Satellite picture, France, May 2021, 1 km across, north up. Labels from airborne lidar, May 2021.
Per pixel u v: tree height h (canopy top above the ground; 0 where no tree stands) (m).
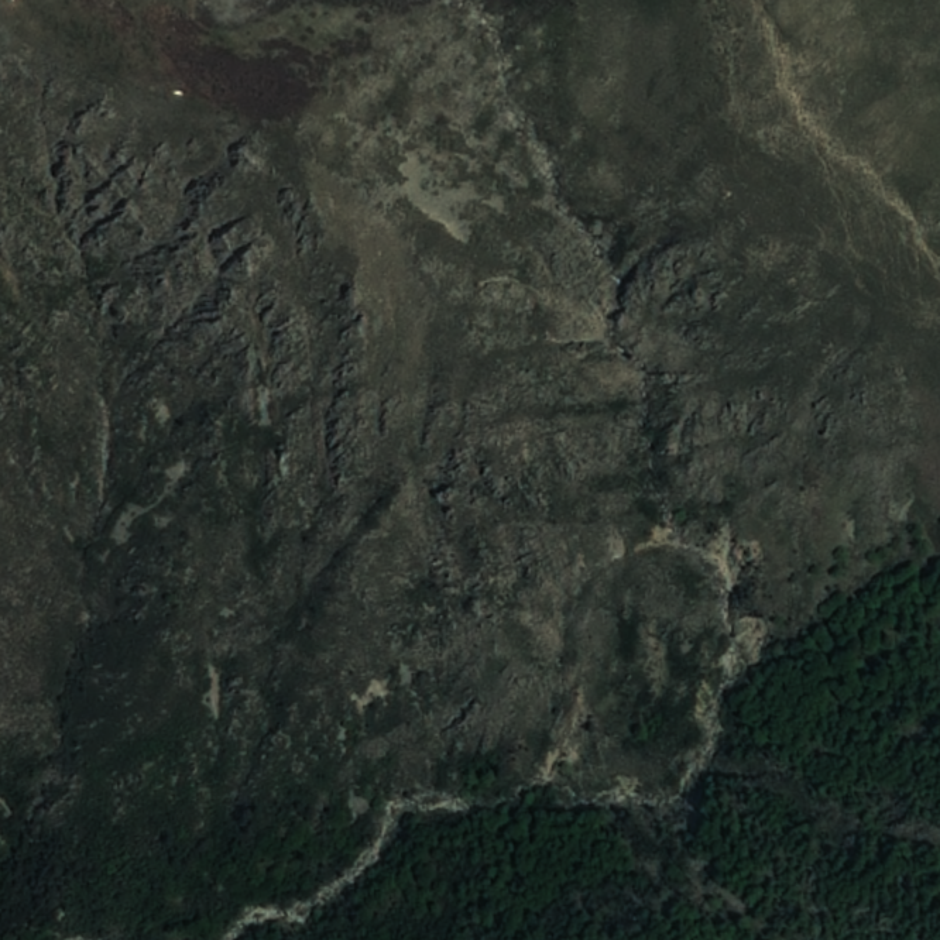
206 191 0
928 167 0
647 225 0
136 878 14
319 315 0
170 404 0
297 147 0
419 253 0
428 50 0
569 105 0
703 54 0
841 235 0
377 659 0
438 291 0
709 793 16
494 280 0
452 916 6
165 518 0
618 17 0
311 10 0
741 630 0
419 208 0
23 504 0
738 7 0
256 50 0
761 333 0
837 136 0
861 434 0
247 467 8
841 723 22
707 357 0
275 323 0
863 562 0
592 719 7
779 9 0
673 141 0
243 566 0
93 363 0
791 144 0
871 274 0
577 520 0
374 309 0
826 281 0
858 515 0
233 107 0
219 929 9
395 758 6
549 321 0
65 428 0
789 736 18
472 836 17
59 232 0
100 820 6
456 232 0
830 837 8
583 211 0
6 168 0
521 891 21
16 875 9
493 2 0
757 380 0
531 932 13
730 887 20
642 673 0
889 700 24
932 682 18
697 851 16
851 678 30
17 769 10
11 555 0
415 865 8
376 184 0
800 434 0
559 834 18
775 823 13
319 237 0
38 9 0
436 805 0
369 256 0
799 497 0
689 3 0
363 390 0
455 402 0
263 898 23
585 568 0
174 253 0
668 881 7
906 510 0
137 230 0
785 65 0
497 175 0
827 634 22
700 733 11
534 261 0
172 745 12
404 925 7
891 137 0
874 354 0
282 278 0
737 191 0
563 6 0
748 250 0
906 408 0
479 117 0
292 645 0
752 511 0
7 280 0
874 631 29
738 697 24
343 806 12
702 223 0
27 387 14
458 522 0
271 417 0
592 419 0
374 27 0
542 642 0
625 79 0
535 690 0
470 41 0
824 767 15
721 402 0
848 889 15
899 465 0
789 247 0
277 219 0
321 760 9
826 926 8
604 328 0
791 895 15
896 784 12
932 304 0
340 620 0
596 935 13
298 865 20
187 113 0
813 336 0
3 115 0
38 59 0
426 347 0
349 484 0
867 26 0
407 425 0
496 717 0
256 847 7
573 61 0
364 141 0
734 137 0
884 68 0
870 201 0
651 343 0
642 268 0
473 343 0
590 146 0
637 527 0
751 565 11
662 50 0
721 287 0
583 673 0
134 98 0
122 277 0
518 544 0
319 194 0
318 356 0
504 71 0
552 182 0
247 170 0
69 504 0
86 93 0
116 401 0
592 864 18
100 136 0
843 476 0
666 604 0
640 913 15
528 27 0
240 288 0
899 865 18
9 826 13
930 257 0
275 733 11
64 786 7
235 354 0
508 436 0
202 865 12
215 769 6
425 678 18
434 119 0
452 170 0
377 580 0
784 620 8
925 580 22
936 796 13
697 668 9
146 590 6
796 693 22
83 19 0
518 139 0
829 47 0
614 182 0
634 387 0
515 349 0
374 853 0
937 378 0
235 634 0
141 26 0
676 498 0
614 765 0
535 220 0
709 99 0
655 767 0
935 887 14
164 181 0
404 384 0
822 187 0
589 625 0
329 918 11
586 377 0
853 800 12
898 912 16
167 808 9
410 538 0
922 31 0
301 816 13
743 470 0
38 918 11
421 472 0
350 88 0
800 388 0
